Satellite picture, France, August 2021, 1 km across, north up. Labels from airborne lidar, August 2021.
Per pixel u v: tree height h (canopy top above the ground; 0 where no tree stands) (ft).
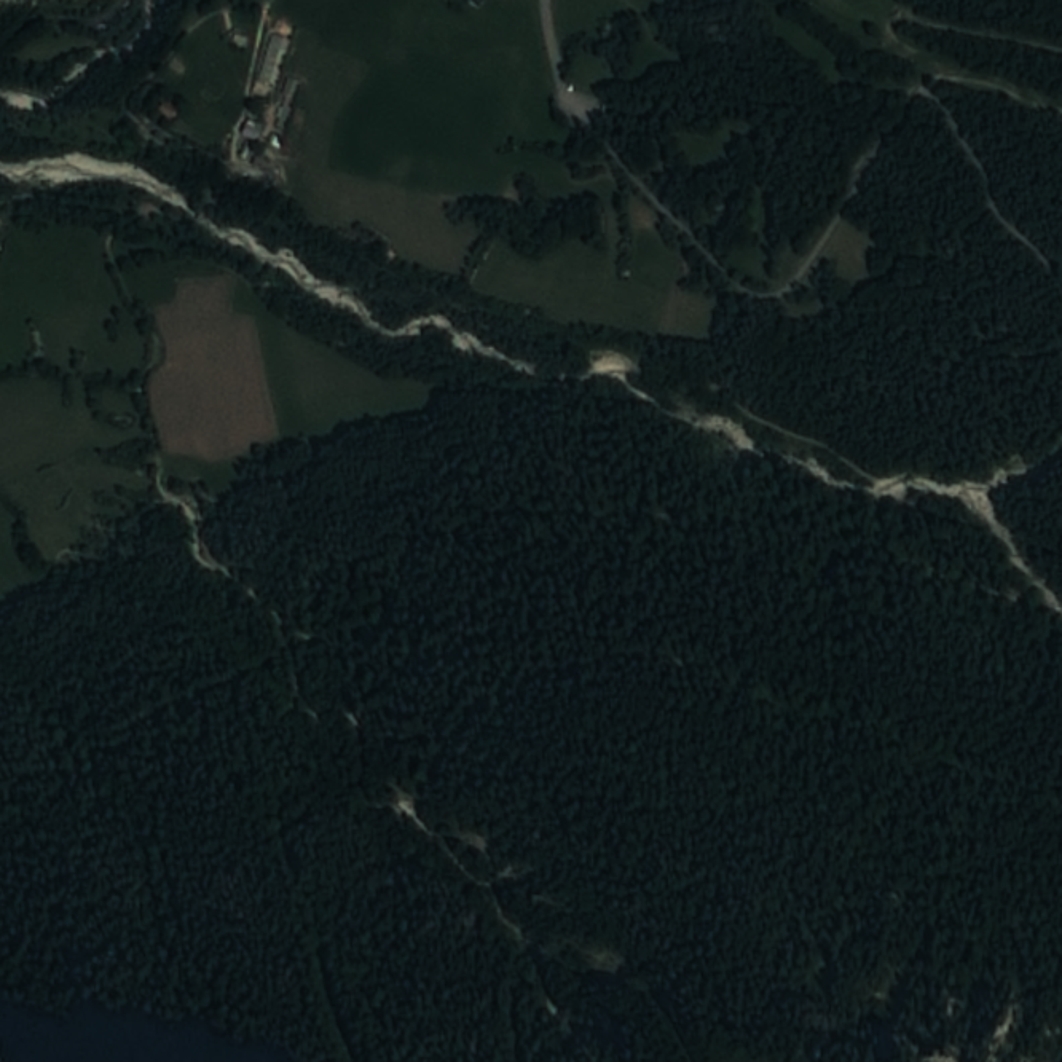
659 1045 40
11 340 0
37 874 82
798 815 38
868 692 49
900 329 68
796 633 65
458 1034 65
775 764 73
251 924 72
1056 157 59
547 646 89
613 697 66
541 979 18
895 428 60
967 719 53
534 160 0
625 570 61
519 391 22
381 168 0
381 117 0
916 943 51
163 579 36
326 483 94
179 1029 60
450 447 81
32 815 47
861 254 0
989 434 80
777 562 55
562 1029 74
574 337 34
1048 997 95
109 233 42
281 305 55
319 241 32
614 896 71
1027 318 64
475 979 60
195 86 0
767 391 67
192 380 0
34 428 0
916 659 76
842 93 38
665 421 60
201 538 22
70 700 73
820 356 39
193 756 76
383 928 73
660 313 0
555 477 80
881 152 29
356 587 70
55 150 49
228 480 0
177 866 55
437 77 0
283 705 44
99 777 56
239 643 45
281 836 28
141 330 40
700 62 71
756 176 52
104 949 40
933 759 23
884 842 52
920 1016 35
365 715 69
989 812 23
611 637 91
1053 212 54
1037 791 80
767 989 36
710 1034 80
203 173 67
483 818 21
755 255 0
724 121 67
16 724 78
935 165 59
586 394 43
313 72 0
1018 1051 23
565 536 60
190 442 0
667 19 53
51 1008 83
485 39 0
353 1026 55
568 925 29
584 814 53
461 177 0
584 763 68
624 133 71
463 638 50
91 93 48
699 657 55
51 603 89
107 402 0
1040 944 53
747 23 76
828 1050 38
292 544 89
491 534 53
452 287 42
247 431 0
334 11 0
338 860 43
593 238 35
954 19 64
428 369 37
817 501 83
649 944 56
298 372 0
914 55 0
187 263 34
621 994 51
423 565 85
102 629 65
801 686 74
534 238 40
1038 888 59
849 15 0
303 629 46
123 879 52
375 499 63
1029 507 66
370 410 0
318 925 61
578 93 0
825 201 50
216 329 0
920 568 26
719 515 75
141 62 62
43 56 0
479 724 41
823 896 76
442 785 70
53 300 0
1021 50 46
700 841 56
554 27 0
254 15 33
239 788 31
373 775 51
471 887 21
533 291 0
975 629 45
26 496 0
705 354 58
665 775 61
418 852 56
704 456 59
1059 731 63
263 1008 76
